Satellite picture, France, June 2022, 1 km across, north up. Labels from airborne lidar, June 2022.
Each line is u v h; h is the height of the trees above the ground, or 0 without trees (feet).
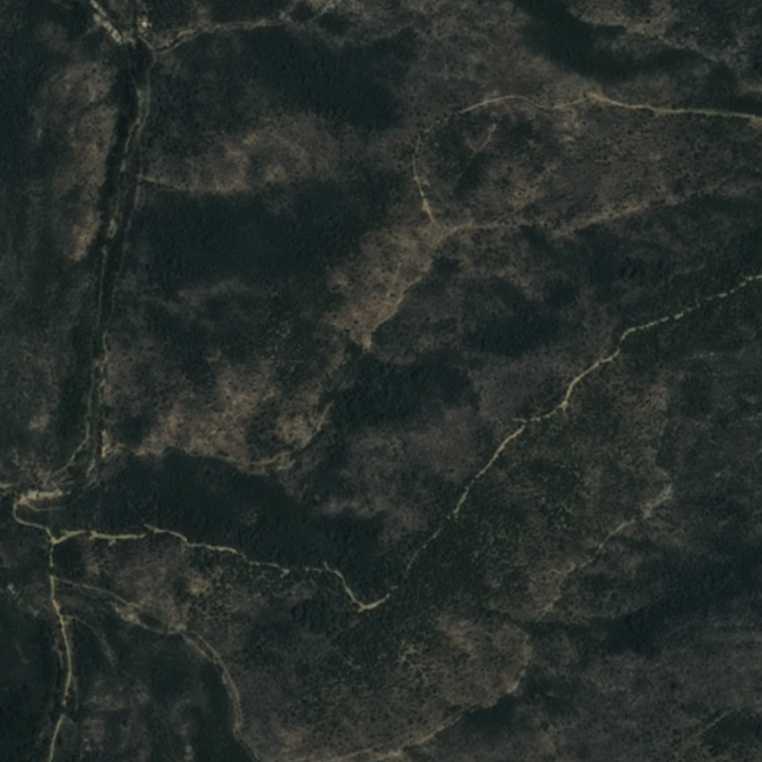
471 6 0
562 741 0
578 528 23
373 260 0
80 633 31
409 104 0
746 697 0
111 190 32
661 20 0
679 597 18
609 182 0
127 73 34
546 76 0
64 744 33
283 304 22
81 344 19
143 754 0
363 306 0
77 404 19
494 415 0
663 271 23
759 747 22
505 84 0
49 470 0
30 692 33
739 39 0
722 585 27
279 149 0
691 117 23
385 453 0
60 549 19
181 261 27
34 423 0
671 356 28
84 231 0
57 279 19
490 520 30
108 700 0
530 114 0
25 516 32
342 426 34
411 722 22
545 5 32
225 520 24
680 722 0
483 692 0
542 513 29
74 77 0
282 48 20
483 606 27
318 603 18
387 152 0
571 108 0
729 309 23
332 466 23
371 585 31
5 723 34
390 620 19
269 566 21
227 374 0
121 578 0
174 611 0
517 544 20
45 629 23
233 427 0
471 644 0
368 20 0
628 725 0
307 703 31
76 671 21
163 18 22
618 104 0
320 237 26
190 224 19
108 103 23
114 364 0
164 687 22
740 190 0
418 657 18
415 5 0
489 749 0
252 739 0
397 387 34
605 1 0
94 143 0
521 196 0
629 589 22
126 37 0
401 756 0
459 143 27
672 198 0
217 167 0
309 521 30
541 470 19
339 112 31
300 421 0
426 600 18
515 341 18
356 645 26
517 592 18
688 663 0
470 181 18
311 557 36
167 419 0
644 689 0
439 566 29
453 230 0
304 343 31
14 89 22
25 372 0
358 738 0
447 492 23
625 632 23
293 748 0
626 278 25
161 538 19
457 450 0
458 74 0
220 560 23
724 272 20
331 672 19
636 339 21
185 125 20
